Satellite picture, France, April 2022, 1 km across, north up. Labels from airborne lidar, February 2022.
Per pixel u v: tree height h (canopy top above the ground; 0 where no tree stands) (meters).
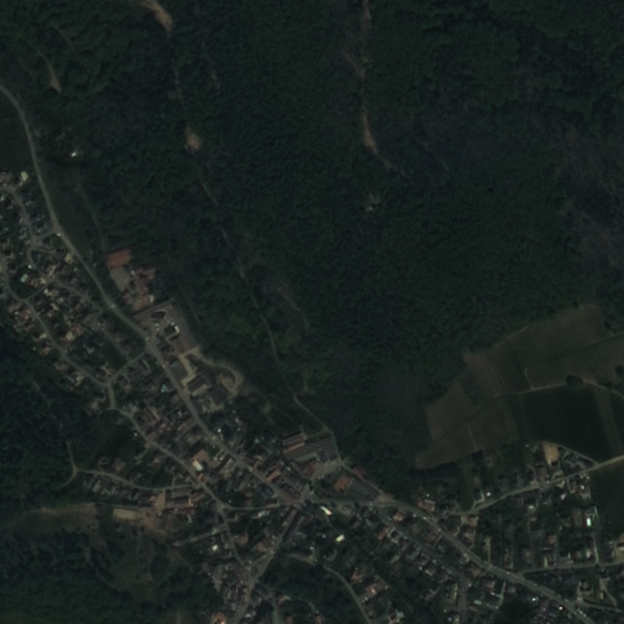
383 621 0
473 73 23
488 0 29
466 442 0
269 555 0
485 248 27
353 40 30
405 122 28
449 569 0
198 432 0
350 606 16
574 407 0
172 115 25
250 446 6
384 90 31
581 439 0
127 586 0
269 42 19
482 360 0
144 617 13
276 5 22
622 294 31
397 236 21
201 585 19
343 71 30
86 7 25
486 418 0
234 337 18
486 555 0
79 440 20
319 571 10
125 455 0
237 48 14
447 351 28
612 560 6
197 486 0
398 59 29
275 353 11
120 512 0
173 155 29
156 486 8
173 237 13
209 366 0
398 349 19
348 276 18
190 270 13
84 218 17
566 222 19
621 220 22
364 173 21
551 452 0
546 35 30
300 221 15
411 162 23
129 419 0
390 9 27
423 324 24
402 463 18
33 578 23
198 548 0
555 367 0
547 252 29
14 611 20
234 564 0
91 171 11
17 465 23
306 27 26
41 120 19
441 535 0
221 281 28
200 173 24
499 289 28
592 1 25
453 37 30
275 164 19
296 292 27
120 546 7
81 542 22
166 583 12
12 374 35
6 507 29
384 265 17
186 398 0
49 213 0
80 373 0
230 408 8
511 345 0
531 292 28
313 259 19
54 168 18
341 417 25
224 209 30
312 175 16
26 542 15
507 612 11
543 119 23
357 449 21
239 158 23
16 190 0
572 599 10
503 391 0
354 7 30
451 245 29
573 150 24
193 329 15
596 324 0
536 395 0
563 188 23
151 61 20
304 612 7
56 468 11
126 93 14
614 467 0
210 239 27
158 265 12
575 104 31
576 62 23
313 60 26
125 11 31
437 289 26
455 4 24
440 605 0
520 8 29
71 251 0
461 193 28
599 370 0
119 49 28
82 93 28
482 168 25
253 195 22
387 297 14
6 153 0
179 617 0
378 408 14
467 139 29
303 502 0
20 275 8
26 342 7
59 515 0
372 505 0
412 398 20
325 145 22
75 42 18
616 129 23
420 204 25
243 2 21
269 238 29
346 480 0
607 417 0
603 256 22
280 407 0
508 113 30
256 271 9
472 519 0
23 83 21
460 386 0
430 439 15
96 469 6
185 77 25
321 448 0
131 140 19
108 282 22
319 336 30
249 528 9
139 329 0
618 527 0
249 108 20
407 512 0
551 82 31
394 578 6
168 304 0
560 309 11
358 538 7
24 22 30
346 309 19
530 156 29
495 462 0
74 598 23
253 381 20
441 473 20
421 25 29
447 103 17
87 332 7
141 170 30
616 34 25
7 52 21
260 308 9
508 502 6
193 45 24
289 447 0
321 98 23
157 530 0
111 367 0
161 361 0
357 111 30
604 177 24
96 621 18
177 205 27
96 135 20
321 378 24
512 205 25
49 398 21
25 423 31
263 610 9
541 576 6
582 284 26
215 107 20
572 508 16
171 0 28
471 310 27
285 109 16
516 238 29
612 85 26
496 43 32
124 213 19
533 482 0
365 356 18
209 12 16
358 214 15
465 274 30
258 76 15
